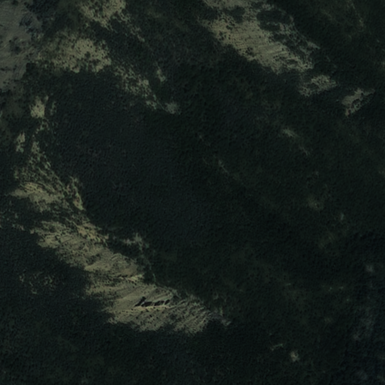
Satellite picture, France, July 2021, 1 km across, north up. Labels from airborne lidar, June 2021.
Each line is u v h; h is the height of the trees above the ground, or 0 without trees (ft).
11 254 30
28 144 27
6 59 0
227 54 26
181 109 31
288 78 29
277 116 21
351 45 23
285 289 32
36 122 25
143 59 30
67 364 38
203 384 34
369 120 20
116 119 34
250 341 28
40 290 25
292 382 23
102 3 21
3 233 35
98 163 34
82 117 34
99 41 24
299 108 33
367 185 25
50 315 37
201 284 28
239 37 0
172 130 44
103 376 28
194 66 53
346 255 67
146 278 25
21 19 0
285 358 32
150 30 31
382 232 52
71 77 23
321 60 21
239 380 36
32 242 33
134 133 38
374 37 20
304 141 20
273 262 29
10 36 0
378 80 34
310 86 19
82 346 23
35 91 20
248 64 26
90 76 30
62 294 38
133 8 20
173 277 21
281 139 22
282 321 29
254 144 43
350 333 49
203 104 48
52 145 24
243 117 37
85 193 33
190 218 29
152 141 37
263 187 27
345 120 18
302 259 26
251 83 33
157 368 39
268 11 28
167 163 50
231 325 28
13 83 0
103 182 41
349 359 75
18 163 28
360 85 36
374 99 41
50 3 37
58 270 27
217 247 28
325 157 26
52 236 0
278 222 69
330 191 30
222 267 26
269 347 22
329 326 31
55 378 23
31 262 22
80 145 27
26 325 36
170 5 26
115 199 42
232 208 34
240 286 40
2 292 34
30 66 37
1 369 31
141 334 40
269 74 23
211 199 48
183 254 21
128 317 0
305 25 40
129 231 28
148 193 42
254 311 42
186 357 58
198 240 35
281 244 41
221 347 26
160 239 32
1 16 0
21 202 22
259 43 0
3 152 30
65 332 36
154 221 32
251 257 37
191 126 61
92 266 0
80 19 24
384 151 25
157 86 35
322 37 42
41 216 21
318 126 42
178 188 46
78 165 30
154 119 38
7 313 25
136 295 0
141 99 23
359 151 19
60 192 22
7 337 37
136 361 31
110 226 45
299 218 33
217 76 41
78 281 35
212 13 22
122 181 40
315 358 24
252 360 37
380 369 24
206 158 33
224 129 59
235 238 28
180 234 44
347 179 32
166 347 61
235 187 46
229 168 20
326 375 48
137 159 49
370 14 21
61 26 21
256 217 23
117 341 52
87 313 27
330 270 43
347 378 25
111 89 37
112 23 25
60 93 20
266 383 65
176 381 18
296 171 43
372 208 39
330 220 34
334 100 25
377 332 31
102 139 30
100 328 36
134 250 43
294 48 30
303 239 22
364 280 47
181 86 32
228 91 21
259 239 38
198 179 35
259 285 31
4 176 39
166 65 34
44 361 34
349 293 23
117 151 37
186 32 21
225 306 23
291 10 52
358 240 76
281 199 30
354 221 25
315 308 29
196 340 34
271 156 25
